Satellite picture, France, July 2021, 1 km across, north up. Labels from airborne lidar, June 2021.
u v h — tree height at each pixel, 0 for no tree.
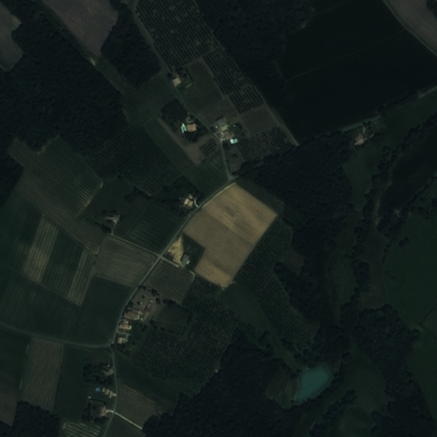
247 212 0
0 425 20
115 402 0
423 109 0
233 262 0
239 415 24
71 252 0
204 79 0
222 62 6
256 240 0
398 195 0
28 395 0
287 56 0
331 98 0
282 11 25
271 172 19
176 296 0
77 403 0
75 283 0
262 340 18
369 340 23
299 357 21
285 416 23
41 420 17
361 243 11
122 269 0
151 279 0
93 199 0
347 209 31
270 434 21
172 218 0
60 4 0
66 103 19
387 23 0
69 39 10
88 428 0
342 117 0
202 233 0
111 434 0
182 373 6
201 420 19
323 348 16
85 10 0
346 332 20
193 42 5
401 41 0
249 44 23
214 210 0
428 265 0
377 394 0
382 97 0
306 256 13
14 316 0
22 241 0
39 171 0
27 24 19
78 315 0
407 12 0
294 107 0
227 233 0
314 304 15
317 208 23
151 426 14
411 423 24
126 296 0
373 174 0
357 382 0
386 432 17
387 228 25
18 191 0
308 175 27
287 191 21
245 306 0
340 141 17
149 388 0
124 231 0
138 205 0
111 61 16
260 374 27
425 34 0
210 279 0
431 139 0
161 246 0
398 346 20
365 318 24
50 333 0
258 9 19
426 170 0
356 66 0
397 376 20
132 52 24
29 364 0
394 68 0
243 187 0
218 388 15
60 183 0
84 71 19
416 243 0
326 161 26
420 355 0
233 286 0
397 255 0
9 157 10
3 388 0
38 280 0
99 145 17
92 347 0
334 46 0
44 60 20
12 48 0
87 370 15
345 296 0
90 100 15
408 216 17
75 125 14
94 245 0
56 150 0
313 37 0
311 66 0
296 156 22
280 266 14
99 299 0
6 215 0
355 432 0
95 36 0
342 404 9
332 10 0
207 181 0
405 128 0
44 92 20
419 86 0
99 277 0
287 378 0
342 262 0
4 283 0
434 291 0
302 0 15
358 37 0
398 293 0
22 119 15
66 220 0
